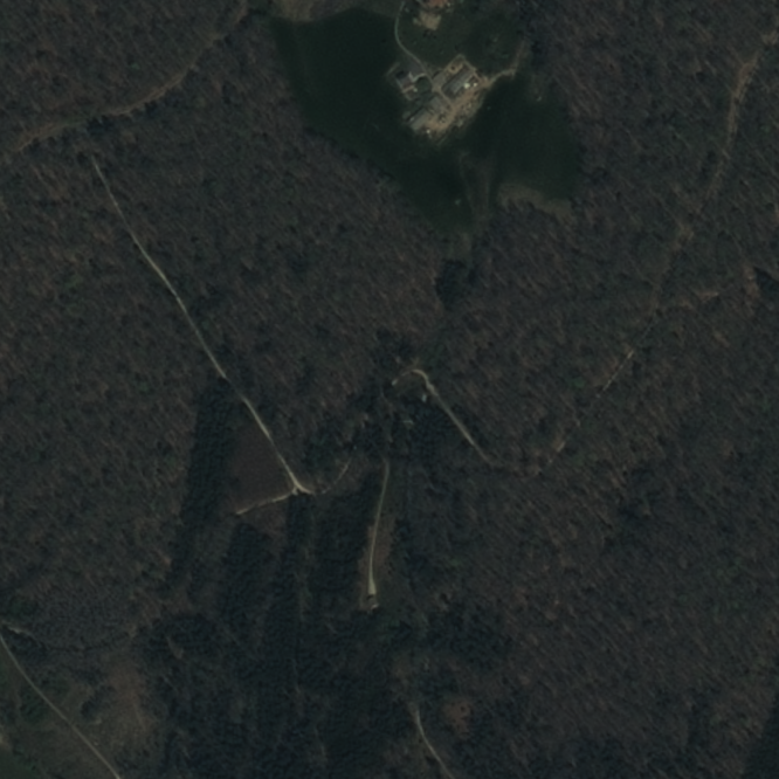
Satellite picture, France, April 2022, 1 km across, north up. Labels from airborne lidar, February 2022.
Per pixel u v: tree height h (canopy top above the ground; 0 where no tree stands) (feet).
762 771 72
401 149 0
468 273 95
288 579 82
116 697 73
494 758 77
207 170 87
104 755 0
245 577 55
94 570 100
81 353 91
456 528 83
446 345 93
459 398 86
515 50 0
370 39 0
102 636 59
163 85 85
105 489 86
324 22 0
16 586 76
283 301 90
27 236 86
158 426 91
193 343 96
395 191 98
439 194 0
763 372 92
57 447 93
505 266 88
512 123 0
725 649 96
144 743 0
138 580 85
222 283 95
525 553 89
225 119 96
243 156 91
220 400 72
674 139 87
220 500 75
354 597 72
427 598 87
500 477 92
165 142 87
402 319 93
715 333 105
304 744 91
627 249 98
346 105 0
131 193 93
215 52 0
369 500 78
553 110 0
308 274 76
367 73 0
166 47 82
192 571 57
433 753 0
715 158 59
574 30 100
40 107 87
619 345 85
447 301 95
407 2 40
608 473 97
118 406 95
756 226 93
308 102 0
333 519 27
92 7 78
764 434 27
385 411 83
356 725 40
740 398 68
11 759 0
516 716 98
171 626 83
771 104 86
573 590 119
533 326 94
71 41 90
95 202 101
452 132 0
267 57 101
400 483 84
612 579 103
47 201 88
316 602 42
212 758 40
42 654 87
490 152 0
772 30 81
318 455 100
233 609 83
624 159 96
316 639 46
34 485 98
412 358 101
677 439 97
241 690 71
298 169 97
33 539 94
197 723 86
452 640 72
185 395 101
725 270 84
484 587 86
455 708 0
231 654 82
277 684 62
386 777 103
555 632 107
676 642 93
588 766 101
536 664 108
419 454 88
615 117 95
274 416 63
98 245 105
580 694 85
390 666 72
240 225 75
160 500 94
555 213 0
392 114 0
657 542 90
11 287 86
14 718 73
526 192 0
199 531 85
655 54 91
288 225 88
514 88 0
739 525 90
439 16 0
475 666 66
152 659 96
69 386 87
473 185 0
